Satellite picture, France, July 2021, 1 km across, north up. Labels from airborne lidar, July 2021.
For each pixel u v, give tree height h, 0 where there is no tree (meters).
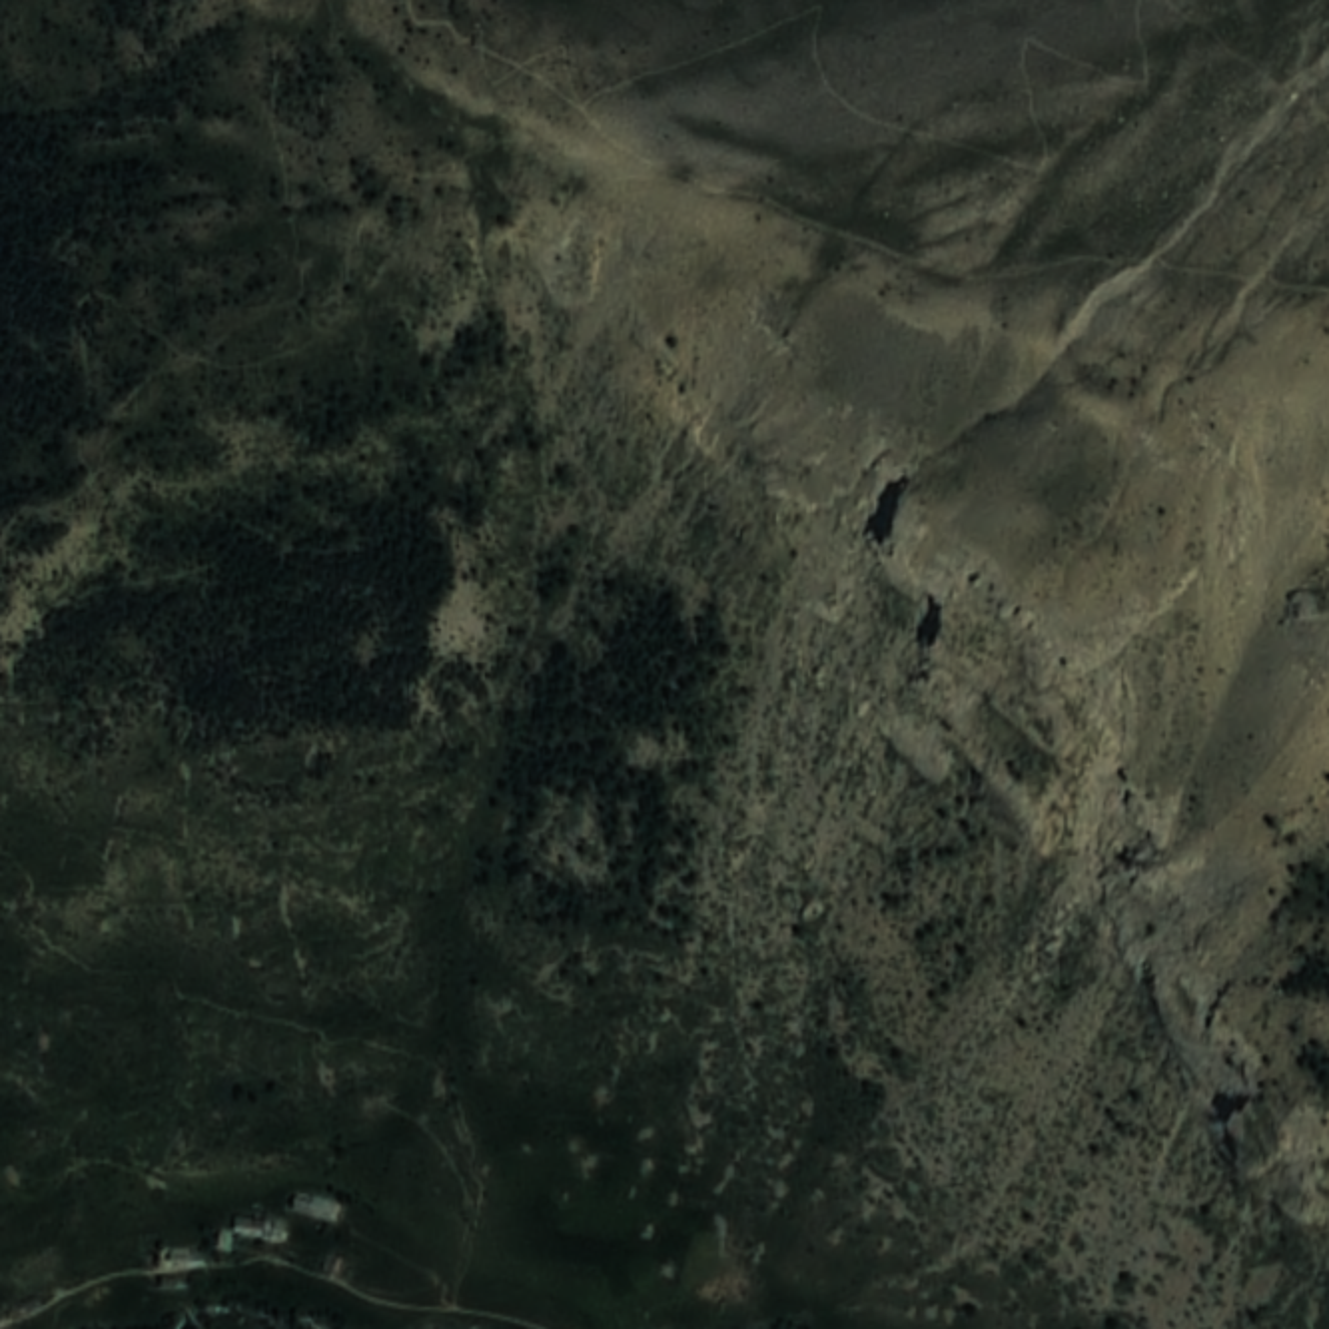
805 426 0
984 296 0
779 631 0
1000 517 0
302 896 0
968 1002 0
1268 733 0
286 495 5
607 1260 0
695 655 11
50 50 0
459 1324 0
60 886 0
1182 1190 0
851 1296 0
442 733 0
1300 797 0
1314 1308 0
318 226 0
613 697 11
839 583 0
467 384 0
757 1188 0
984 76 0
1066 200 0
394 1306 0
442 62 0
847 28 0
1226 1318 0
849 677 0
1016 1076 0
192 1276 10
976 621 0
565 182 0
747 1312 0
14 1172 0
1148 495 0
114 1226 0
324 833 0
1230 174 0
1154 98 0
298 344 0
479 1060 0
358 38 0
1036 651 0
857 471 0
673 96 0
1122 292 0
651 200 0
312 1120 0
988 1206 0
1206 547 0
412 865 0
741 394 0
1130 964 0
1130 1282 9
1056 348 0
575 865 0
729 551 0
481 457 13
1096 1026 0
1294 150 0
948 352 0
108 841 0
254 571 9
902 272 0
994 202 0
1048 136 0
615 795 8
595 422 0
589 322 0
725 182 0
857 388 0
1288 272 0
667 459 0
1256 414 0
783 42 0
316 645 7
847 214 0
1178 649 0
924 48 0
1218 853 0
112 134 6
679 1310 0
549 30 0
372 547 10
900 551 0
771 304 0
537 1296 0
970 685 0
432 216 0
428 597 8
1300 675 0
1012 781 0
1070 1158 0
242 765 0
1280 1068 0
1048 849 0
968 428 0
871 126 0
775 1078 0
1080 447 0
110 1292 0
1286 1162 0
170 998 0
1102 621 0
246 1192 0
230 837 0
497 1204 0
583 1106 0
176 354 0
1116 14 0
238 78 0
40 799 0
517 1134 0
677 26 0
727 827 0
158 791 0
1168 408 0
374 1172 0
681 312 0
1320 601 0
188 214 0
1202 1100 0
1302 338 0
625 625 14
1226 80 0
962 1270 0
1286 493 0
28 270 12
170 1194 0
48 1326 0
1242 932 0
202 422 0
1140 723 0
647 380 0
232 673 10
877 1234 0
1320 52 0
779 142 0
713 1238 0
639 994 0
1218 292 0
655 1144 0
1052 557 0
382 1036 0
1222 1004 0
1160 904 0
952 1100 0
